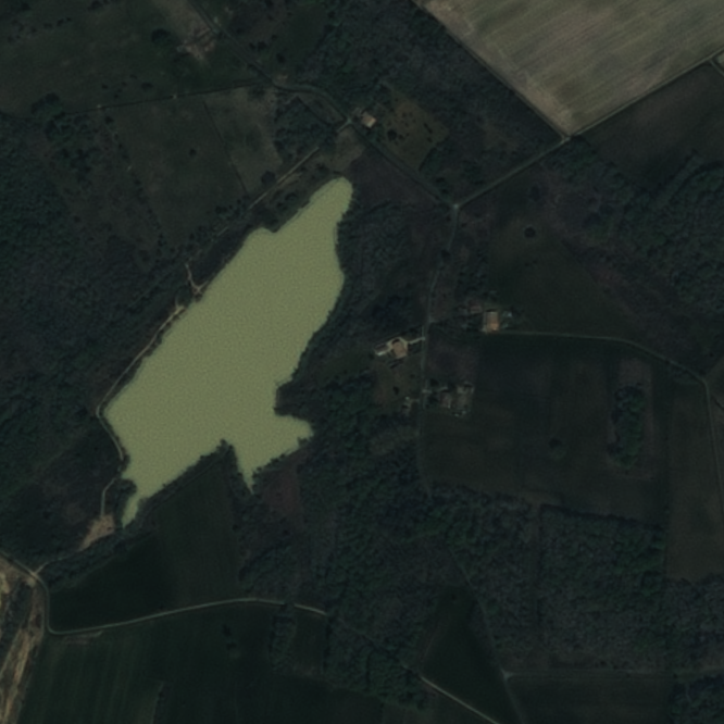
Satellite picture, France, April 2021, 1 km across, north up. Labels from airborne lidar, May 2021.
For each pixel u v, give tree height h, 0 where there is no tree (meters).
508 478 0
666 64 0
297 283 0
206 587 0
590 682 0
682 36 0
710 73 0
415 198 0
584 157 16
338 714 0
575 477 0
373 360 12
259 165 0
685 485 0
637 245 17
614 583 18
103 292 8
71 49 0
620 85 0
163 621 0
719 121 0
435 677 0
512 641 8
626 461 23
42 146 7
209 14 0
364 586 20
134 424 0
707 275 12
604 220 15
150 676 0
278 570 16
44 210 6
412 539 22
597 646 17
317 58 7
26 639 0
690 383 9
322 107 11
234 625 0
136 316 14
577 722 0
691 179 10
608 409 0
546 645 11
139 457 0
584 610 17
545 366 0
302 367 8
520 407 0
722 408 0
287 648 16
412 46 18
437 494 10
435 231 0
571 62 0
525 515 11
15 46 11
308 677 0
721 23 0
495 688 0
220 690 0
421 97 9
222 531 0
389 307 10
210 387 0
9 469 20
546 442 0
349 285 10
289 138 8
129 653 0
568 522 17
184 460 0
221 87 0
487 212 0
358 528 19
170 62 0
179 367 0
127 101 0
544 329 0
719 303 6
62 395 17
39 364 12
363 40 9
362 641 19
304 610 0
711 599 17
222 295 0
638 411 8
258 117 0
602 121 0
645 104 0
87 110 0
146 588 0
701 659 23
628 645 19
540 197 0
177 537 0
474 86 10
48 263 15
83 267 7
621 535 20
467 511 20
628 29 0
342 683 14
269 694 0
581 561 16
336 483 16
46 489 0
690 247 12
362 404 19
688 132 0
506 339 0
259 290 0
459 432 0
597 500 0
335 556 12
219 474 0
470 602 0
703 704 18
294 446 0
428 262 0
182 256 7
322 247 0
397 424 14
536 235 0
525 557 18
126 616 0
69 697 0
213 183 0
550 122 0
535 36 0
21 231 7
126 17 0
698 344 0
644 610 17
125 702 0
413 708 11
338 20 14
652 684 0
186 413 0
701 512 0
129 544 11
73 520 0
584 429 0
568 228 0
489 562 18
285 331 0
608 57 0
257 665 0
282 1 0
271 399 0
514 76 0
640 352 0
